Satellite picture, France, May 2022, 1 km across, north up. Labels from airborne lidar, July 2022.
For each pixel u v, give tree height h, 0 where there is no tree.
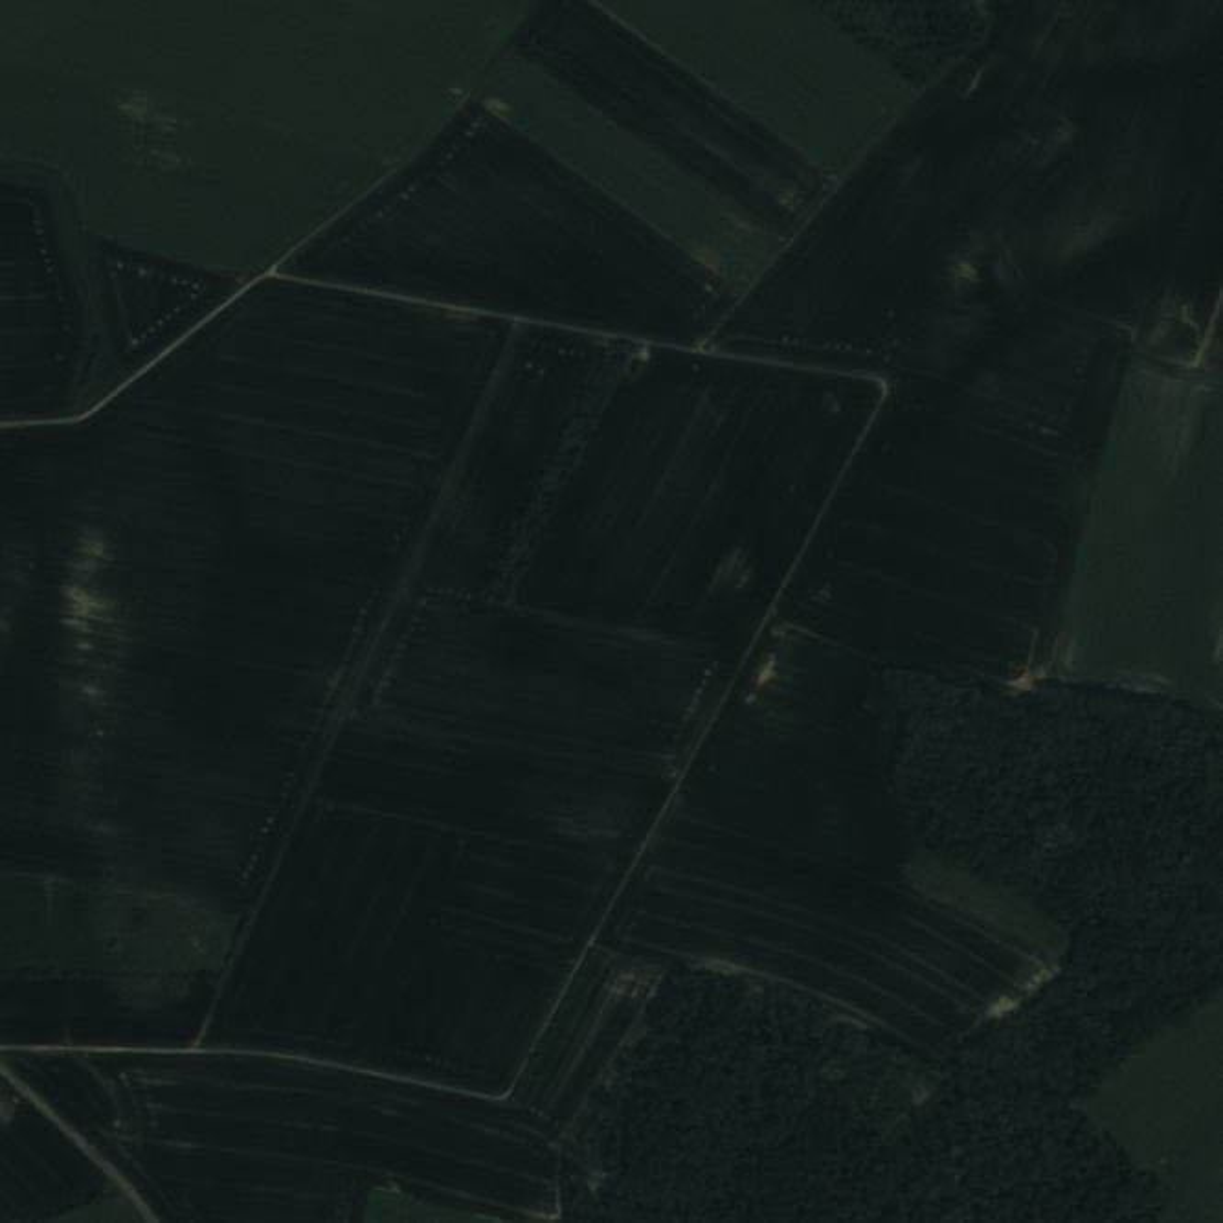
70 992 0
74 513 0
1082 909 23
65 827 0
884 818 0
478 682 0
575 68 0
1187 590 0
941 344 0
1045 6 0
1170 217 0
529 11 0
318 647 0
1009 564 0
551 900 0
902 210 0
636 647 0
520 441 0
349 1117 0
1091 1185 23
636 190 0
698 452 0
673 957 0
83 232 0
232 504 0
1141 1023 22
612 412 0
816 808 0
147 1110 0
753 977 0
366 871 0
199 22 0
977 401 0
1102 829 31
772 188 0
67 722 0
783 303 0
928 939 0
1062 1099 26
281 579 0
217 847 0
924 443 0
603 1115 23
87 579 0
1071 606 0
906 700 19
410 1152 0
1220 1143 0
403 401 0
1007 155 0
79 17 0
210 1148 0
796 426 0
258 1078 0
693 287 0
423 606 0
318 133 0
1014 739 30
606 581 0
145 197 0
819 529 0
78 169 0
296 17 0
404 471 0
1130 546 0
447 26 0
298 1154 0
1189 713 22
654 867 0
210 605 0
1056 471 0
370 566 0
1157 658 0
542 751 0
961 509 0
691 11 0
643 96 0
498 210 0
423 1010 0
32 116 0
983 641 0
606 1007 0
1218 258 0
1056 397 0
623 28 0
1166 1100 0
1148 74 0
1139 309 0
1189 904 29
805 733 0
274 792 0
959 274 0
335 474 0
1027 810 28
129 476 0
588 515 0
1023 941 0
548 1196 0
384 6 0
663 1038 24
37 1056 0
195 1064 0
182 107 0
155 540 0
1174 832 31
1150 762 28
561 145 0
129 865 0
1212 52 0
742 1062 29
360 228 0
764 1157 28
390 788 0
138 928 0
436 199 0
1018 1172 15
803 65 0
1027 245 0
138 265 0
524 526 8
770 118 0
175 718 0
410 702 0
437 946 0
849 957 0
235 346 0
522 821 0
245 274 0
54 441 0
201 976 8
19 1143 0
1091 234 0
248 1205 0
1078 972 23
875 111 0
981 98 0
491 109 0
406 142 0
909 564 0
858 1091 25
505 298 0
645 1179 20
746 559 0
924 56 18
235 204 0
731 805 0
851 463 0
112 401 0
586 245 0
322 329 0
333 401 0
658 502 0
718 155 0
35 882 0
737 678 0
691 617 0
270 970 0
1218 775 12
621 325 0
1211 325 0
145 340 0
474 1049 0
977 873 20
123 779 0
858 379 0
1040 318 0
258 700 0
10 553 0
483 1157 0
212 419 0
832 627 0
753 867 0
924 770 22
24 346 0
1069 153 0
